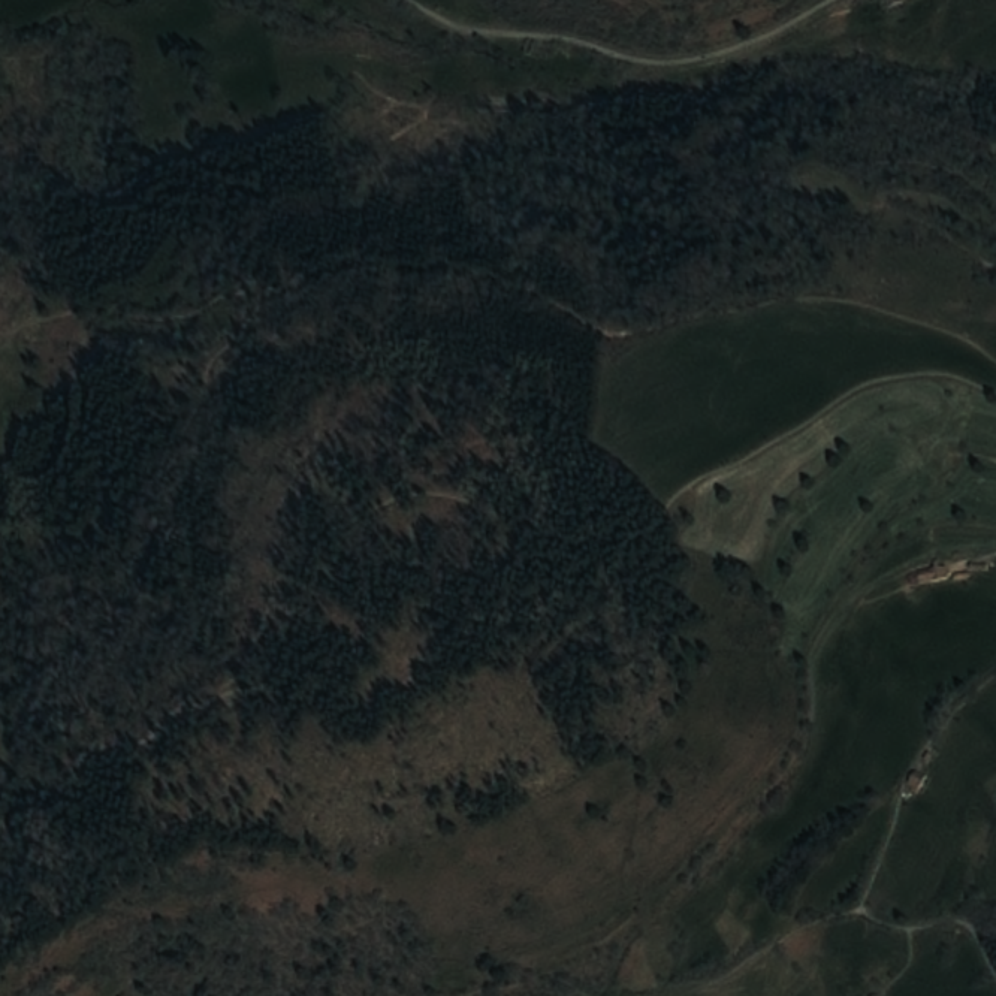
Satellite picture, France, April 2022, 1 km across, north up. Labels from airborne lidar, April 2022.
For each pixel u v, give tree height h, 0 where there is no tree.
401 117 0
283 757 0
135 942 9
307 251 17
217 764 0
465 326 9
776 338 0
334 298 7
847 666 0
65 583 22
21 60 0
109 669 26
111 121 8
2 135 33
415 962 22
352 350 9
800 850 20
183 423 16
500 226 17
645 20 7
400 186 21
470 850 0
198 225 30
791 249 13
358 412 0
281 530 0
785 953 18
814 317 0
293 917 16
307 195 25
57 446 17
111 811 19
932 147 8
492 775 0
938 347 0
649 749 0
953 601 0
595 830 0
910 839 0
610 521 29
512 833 0
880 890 0
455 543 20
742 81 25
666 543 24
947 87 13
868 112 12
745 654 0
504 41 0
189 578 30
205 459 12
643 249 28
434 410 23
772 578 0
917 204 7
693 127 23
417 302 7
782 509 21
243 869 7
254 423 11
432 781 0
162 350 20
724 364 0
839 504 0
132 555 25
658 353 0
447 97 0
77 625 25
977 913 14
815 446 0
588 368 9
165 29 0
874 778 0
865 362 0
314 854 18
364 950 9
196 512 18
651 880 0
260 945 17
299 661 19
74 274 36
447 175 16
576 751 25
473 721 0
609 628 25
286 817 25
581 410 12
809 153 17
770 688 0
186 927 16
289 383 13
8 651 11
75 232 29
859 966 0
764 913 0
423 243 16
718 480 0
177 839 19
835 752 0
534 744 0
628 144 14
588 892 0
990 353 0
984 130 16
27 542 34
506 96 0
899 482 0
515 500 27
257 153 25
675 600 16
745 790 0
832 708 0
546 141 21
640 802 0
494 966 21
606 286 15
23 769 20
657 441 0
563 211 8
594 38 8
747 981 0
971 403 0
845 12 0
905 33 0
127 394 30
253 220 19
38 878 10
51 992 15
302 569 21
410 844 0
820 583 0
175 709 0
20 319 0
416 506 24
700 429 0
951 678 0
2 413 0
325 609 17
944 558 0
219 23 0
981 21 0
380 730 26
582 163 25
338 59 0
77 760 10
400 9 19
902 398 0
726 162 26
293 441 0
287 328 7
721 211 22
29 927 23
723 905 0
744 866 0
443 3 0
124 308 6
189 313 7
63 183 6
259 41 0
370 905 15
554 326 10
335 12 22
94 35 20
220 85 16
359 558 17
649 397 0
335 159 27
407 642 0
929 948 0
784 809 23
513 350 9
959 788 0
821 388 0
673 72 0
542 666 19
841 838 26
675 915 0
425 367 12
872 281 0
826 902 0
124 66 16
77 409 33
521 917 0
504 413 29
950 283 0
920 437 0
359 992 19
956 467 0
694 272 26
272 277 10
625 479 29
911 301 0
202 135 20
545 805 0
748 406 0
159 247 30
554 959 0
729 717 0
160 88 0
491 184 16
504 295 12
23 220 27
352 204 20
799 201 19
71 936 7
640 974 0
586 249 19
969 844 0
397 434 20
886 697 0
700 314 11
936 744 16
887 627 0
